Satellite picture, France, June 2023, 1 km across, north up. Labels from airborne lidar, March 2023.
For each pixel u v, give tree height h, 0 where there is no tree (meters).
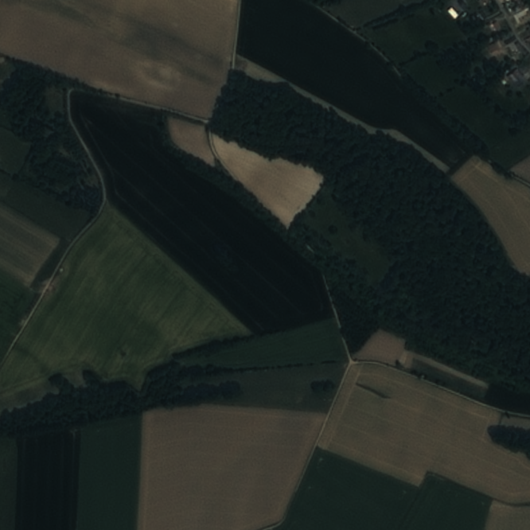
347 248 0
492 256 26
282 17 0
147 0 0
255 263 0
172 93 0
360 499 0
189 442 0
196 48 0
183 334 0
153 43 0
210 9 0
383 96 0
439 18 0
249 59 0
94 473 0
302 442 0
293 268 0
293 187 0
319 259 19
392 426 0
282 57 0
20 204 0
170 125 0
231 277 0
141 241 0
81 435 0
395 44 0
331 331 0
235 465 0
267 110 26
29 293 0
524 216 0
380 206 27
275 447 0
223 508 0
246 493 0
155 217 0
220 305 0
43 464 0
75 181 11
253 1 0
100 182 10
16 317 0
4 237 0
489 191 0
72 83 17
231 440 0
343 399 0
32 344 0
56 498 0
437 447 0
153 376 19
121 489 0
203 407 0
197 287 0
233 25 0
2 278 0
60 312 0
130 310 0
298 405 0
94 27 0
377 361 0
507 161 0
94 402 23
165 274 0
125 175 0
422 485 0
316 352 0
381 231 26
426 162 10
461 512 0
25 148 0
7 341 0
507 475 0
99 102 0
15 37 0
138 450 0
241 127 18
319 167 19
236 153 0
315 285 0
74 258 0
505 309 26
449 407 0
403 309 24
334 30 0
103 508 0
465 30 13
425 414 0
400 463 0
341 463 0
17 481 0
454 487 0
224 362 0
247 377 0
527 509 0
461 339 26
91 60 0
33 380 0
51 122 8
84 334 0
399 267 15
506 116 21
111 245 0
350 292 25
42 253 0
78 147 13
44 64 0
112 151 0
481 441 0
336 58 0
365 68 0
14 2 0
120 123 0
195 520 0
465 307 23
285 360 0
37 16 0
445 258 23
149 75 0
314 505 0
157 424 0
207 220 0
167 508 0
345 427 0
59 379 20
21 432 27
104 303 0
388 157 23
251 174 0
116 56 0
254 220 0
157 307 0
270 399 0
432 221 30
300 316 0
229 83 15
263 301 0
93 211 14
